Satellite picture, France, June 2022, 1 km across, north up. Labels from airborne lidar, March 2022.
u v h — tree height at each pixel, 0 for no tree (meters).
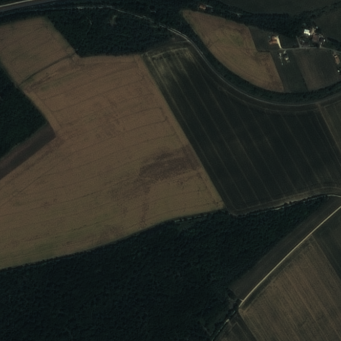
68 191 0
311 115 0
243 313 0
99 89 0
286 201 0
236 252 9
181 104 0
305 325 0
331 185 0
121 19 12
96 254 17
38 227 0
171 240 17
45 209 0
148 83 0
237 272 6
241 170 0
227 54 0
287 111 0
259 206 0
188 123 0
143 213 0
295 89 0
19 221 0
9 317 16
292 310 0
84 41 7
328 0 0
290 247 0
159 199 0
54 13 9
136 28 12
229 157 0
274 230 9
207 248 18
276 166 0
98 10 8
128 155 0
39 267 11
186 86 0
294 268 0
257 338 0
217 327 11
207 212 0
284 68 0
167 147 0
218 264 12
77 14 16
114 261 17
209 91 0
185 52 0
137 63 0
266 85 0
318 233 0
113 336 18
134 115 0
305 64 0
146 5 12
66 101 0
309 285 0
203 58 0
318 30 10
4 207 0
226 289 9
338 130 0
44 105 0
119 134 0
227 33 0
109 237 0
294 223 10
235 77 6
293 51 0
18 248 0
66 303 20
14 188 0
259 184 0
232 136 0
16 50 0
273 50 0
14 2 0
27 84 0
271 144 0
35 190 0
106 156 0
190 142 0
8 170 0
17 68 0
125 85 0
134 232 0
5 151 16
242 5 0
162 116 0
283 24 11
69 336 18
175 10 13
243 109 0
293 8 0
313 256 0
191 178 0
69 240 0
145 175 0
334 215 0
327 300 0
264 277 0
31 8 0
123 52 13
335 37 0
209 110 0
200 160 0
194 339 22
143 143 0
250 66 0
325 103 0
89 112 0
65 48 0
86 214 0
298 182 0
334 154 0
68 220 0
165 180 0
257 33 0
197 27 0
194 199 0
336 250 0
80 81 0
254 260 11
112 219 0
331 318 0
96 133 0
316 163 0
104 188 0
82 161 0
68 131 0
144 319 18
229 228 16
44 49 0
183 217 0
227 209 0
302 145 0
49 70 0
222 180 0
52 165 0
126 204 0
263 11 0
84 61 0
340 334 0
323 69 0
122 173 0
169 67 0
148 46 9
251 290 0
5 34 0
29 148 0
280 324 0
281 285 0
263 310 0
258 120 0
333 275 0
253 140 0
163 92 0
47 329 30
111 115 0
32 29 0
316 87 0
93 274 19
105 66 0
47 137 0
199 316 14
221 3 13
